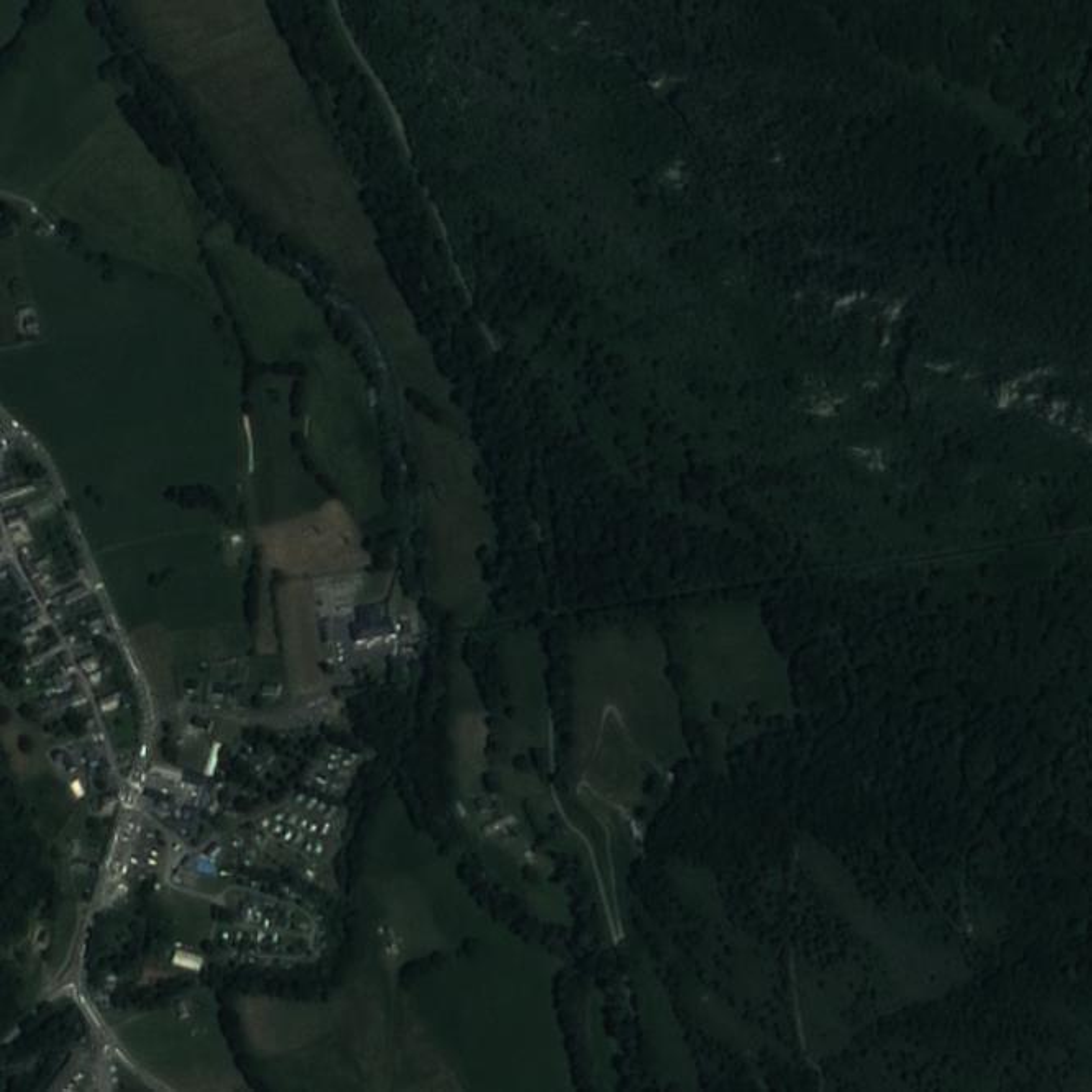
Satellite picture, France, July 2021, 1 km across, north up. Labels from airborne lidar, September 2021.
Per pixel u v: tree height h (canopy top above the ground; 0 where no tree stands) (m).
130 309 0
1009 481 8
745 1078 11
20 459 6
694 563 22
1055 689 7
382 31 6
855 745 12
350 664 0
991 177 19
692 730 14
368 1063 0
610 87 10
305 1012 0
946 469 13
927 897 12
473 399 30
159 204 0
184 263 0
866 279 13
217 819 11
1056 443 7
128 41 23
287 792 13
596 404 11
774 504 10
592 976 31
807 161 12
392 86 21
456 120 8
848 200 8
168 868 0
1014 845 18
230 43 0
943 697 12
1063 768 20
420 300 22
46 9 22
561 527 20
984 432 7
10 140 0
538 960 0
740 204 7
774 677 0
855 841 15
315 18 16
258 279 0
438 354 16
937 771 11
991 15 24
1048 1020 7
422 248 23
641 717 0
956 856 9
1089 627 8
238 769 14
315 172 0
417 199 12
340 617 0
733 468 7
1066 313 8
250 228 16
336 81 13
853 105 7
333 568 0
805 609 22
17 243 0
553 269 10
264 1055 0
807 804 14
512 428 21
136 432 0
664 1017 0
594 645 0
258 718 0
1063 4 25
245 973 18
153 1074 0
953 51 18
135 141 0
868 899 13
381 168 14
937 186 8
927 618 6
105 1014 0
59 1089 0
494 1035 0
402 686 17
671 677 13
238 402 0
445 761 25
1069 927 8
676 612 15
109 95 0
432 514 0
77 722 16
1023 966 16
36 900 22
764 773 9
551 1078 0
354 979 0
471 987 0
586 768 0
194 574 0
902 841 12
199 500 20
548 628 27
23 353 0
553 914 0
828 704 20
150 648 0
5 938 24
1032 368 6
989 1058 11
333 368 0
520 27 8
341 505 0
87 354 0
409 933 0
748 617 0
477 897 16
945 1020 8
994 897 7
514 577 26
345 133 10
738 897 13
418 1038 0
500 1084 0
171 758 11
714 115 9
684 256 9
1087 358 10
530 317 12
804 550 11
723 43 6
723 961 9
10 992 23
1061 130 20
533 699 0
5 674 13
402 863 0
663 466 9
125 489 0
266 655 0
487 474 15
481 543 0
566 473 26
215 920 9
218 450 0
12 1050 20
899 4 19
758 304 6
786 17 7
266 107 0
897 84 7
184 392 0
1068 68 25
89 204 0
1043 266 14
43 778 0
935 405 6
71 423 0
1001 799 11
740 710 0
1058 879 12
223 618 0
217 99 0
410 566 15
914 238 12
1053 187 22
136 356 0
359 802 15
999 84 17
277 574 8
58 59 0
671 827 17
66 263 0
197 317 0
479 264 11
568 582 20
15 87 0
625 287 6
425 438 0
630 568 22
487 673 20
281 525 0
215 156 10
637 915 9
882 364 7
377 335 0
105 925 11
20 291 10
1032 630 9
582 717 0
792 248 11
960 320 8
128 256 0
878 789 16
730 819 16
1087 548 6
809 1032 0
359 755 14
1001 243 15
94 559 0
